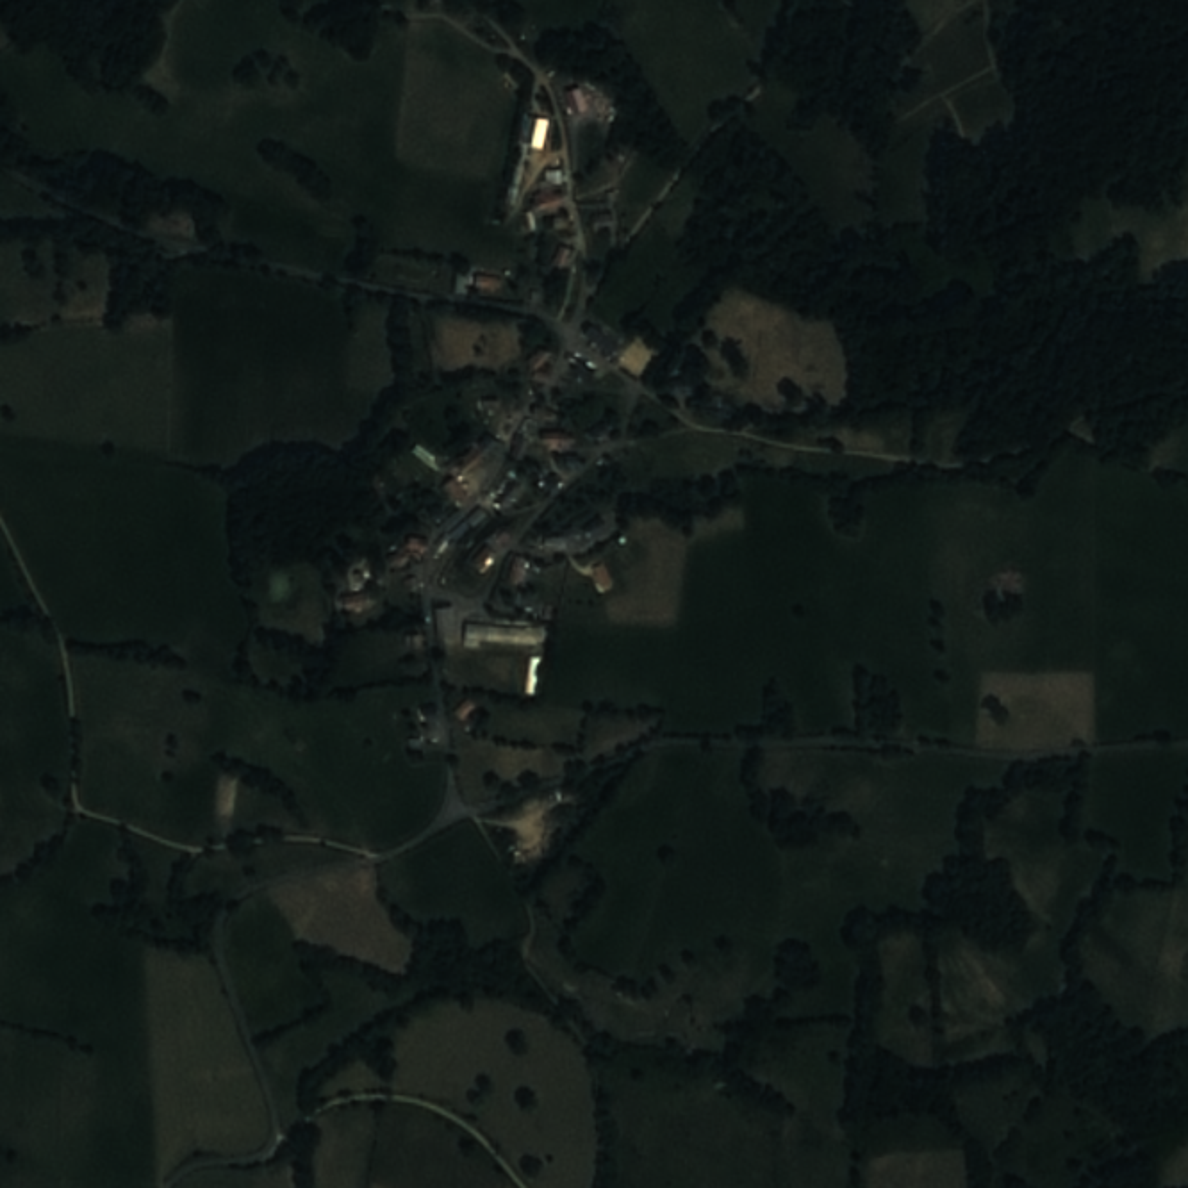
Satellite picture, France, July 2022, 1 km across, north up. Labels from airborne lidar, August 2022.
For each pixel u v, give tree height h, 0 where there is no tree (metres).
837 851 0
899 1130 0
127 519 0
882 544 0
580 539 0
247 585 18
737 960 0
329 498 24
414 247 0
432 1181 0
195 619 0
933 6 0
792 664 0
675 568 0
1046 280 24
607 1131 12
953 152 26
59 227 17
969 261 23
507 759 0
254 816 0
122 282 19
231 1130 0
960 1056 0
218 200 19
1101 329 14
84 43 18
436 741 0
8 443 0
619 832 0
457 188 0
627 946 0
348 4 16
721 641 0
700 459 0
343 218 0
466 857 0
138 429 0
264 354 0
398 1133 0
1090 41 31
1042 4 30
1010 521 0
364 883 0
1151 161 24
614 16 18
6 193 0
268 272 10
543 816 0
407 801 0
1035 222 21
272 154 17
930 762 0
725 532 0
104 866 0
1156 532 0
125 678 0
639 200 0
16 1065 0
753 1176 0
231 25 0
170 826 0
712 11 0
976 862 18
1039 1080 13
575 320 0
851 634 0
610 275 8
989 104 0
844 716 0
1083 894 0
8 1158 9
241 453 0
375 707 0
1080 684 0
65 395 0
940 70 0
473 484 0
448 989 14
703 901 0
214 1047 0
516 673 0
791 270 8
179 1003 0
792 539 0
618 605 0
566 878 0
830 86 17
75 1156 0
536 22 0
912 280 25
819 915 0
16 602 0
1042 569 0
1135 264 12
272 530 24
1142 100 26
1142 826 0
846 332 16
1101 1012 12
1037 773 10
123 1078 0
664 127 18
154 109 19
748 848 0
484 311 10
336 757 0
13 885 11
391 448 18
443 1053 0
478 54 0
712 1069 17
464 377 11
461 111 0
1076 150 28
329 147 0
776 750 0
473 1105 14
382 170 0
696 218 9
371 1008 0
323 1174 0
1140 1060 9
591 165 8
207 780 0
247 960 0
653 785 0
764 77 25
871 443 0
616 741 0
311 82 0
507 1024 0
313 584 0
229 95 0
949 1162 0
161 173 0
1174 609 0
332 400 0
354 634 16
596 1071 5
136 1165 0
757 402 0
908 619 0
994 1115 0
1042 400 14
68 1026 0
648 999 9
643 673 0
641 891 0
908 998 0
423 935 16
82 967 0
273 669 0
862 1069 19
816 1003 0
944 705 0
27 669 0
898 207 0
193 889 0
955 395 15
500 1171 10
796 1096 0
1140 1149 7
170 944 6
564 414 11
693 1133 0
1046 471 12
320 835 0
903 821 0
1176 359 15
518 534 0
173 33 0
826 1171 0
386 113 0
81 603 0
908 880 0
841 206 0
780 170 33
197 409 0
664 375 13
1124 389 15
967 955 0
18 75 0
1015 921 17
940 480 9
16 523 0
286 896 0
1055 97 26
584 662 0
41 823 0
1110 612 0
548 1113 0
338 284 14
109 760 0
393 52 0
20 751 0
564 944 12
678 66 0
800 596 0
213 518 0
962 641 0
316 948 6
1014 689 0
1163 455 0
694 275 0
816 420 15
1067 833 18
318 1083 12
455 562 0
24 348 0
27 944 0
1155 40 30
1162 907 0
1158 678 0
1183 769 0
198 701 10
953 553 0
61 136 0
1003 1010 0
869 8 26
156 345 0
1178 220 0
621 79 11
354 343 0
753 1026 19
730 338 0
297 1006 0
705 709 0
